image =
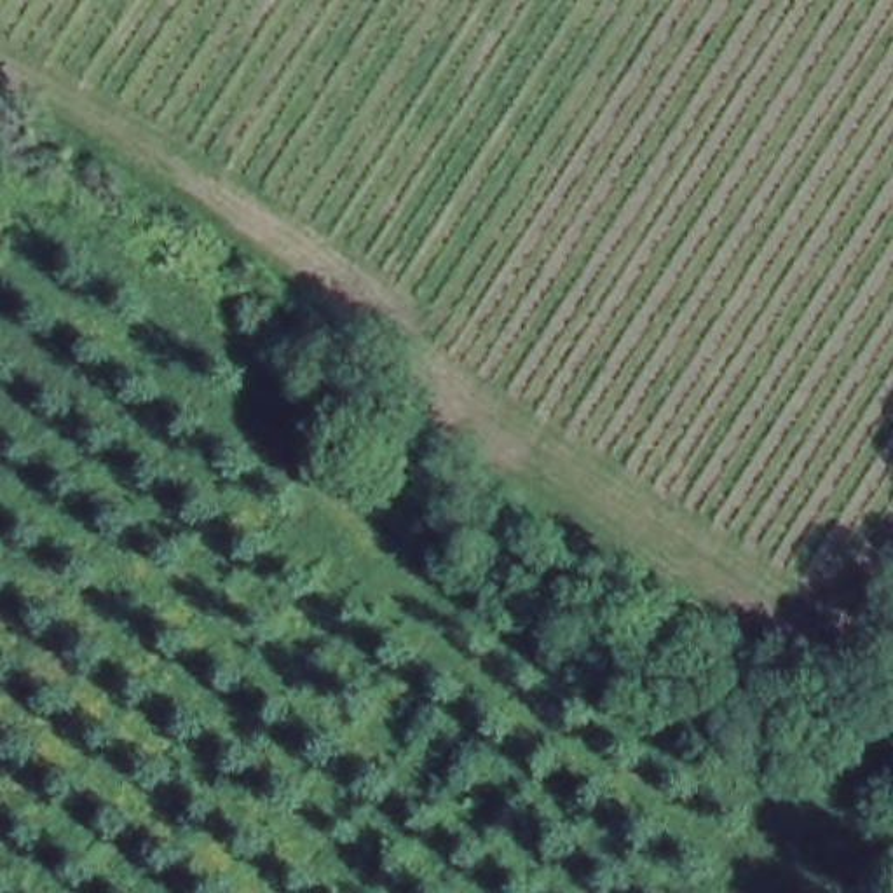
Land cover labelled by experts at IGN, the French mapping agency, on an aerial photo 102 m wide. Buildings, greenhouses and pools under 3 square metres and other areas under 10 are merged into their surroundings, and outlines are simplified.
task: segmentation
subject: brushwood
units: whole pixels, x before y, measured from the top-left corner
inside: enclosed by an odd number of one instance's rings
[[[91,153],[77,153],[73,147],[59,150],[56,140],[42,136],[38,129],[28,129],[21,140],[0,140],[0,157],[7,157],[24,178],[77,178],[91,195],[112,188],[112,174],[101,160],[94,160]]]

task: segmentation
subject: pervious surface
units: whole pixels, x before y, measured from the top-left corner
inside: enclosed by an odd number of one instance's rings
[[[317,230],[297,227],[286,216],[269,213],[244,188],[202,174],[188,192],[192,199],[206,202],[237,234],[286,262],[293,272],[317,276],[328,290],[338,290],[349,300],[373,307],[394,317],[412,335],[419,328],[419,310],[412,300],[380,293],[335,251],[328,251]]]

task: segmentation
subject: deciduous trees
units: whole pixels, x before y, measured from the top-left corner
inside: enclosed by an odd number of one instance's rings
[[[143,701],[153,691],[136,673],[122,670],[126,698],[115,708],[143,712]]]
[[[73,373],[63,370],[38,391],[42,408],[52,415],[66,412],[66,380]]]
[[[150,844],[150,858],[160,872],[178,865],[192,851],[192,841],[206,834],[206,816],[185,806],[174,830],[164,841]]]
[[[87,555],[80,555],[63,562],[59,572],[84,590],[94,583],[98,569]]]
[[[24,84],[17,84],[7,98],[0,94],[0,140],[21,140],[28,129],[24,115],[35,94]]]
[[[150,645],[147,652],[157,663],[178,666],[178,656],[192,645],[171,621],[157,621],[157,645]]]
[[[426,848],[419,841],[398,837],[394,848],[380,858],[387,872],[405,872],[405,865]]]
[[[328,774],[328,764],[342,757],[342,750],[321,733],[303,743],[310,757],[307,771]]]
[[[115,293],[115,300],[140,324],[150,303],[140,286],[129,286]]]
[[[408,746],[398,753],[398,760],[356,774],[352,781],[331,785],[331,799],[356,795],[356,809],[335,823],[345,844],[359,830],[366,830],[370,813],[380,809],[380,799],[422,764],[426,746],[436,736],[457,733],[457,722],[450,719],[450,701],[460,694],[460,687],[453,677],[436,677],[433,698],[408,726]]]
[[[373,712],[387,712],[377,691],[363,691],[349,694],[356,729],[366,726]]]
[[[28,645],[42,645],[45,631],[63,621],[66,607],[63,600],[21,596],[28,624],[17,631],[17,638],[24,638]]]
[[[35,740],[52,726],[52,712],[42,708],[35,698],[17,701],[28,712],[28,722],[24,729],[0,740],[0,757],[28,764]]]
[[[453,802],[460,799],[460,792],[481,785],[488,764],[502,753],[502,740],[516,729],[520,715],[527,712],[516,701],[506,701],[502,708],[481,719],[481,729],[474,733],[471,746],[450,764],[450,771],[440,781],[433,781],[429,806],[408,813],[412,827],[450,827],[457,820]]]
[[[569,823],[544,785],[562,760],[562,746],[569,743],[551,736],[534,750],[530,774],[509,802],[520,809],[530,806],[541,816],[541,851],[562,862],[586,837],[593,820]]]
[[[865,607],[855,614],[855,621],[830,645],[816,645],[806,635],[795,638],[774,631],[753,642],[740,631],[733,617],[684,617],[673,610],[680,600],[677,590],[666,590],[663,583],[659,590],[645,590],[642,576],[649,565],[642,555],[628,555],[621,544],[593,544],[593,555],[569,551],[562,530],[530,499],[527,481],[492,467],[485,440],[467,422],[447,426],[436,436],[433,453],[426,457],[429,474],[436,474],[436,481],[429,485],[426,509],[429,537],[436,548],[426,555],[426,572],[419,579],[429,590],[450,586],[453,593],[478,596],[464,621],[467,642],[474,649],[492,652],[499,638],[520,631],[537,642],[537,652],[527,656],[527,663],[541,673],[541,680],[548,680],[551,673],[558,673],[562,680],[583,677],[583,701],[562,705],[562,715],[569,722],[590,726],[590,712],[596,701],[607,701],[614,708],[614,722],[621,715],[631,715],[631,722],[610,736],[610,750],[628,767],[642,760],[642,746],[649,743],[649,736],[670,729],[684,746],[680,764],[687,764],[680,774],[670,778],[680,795],[694,795],[691,767],[701,764],[708,785],[753,778],[753,795],[760,802],[806,802],[820,809],[830,799],[834,781],[862,760],[865,746],[893,733],[893,558],[876,565],[876,572],[865,583]]]
[[[255,471],[258,453],[244,440],[230,453],[216,453],[227,478]]]
[[[241,370],[227,356],[206,373],[234,401],[241,391]]]
[[[872,865],[862,879],[865,893],[893,893],[893,774],[879,771],[858,792],[862,837],[886,841],[883,862]]]
[[[436,401],[436,394],[408,366],[412,352],[412,335],[394,317],[373,307],[370,314],[349,314],[338,324],[328,324],[307,338],[283,338],[272,345],[269,366],[290,394],[297,443],[310,453],[300,464],[300,471],[293,471],[290,481],[276,492],[279,513],[297,513],[293,481],[314,485],[324,495],[359,506],[363,513],[384,509],[401,492],[405,447],[419,433],[429,405]]]
[[[649,855],[649,848],[628,841],[624,855],[614,855],[596,869],[596,886],[603,893],[624,893],[638,862]]]
[[[234,555],[265,555],[272,544],[269,534],[248,530],[234,541]]]

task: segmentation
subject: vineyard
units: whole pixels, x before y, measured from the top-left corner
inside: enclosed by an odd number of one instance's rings
[[[160,115],[171,122],[167,140],[160,147],[178,153],[202,174],[244,188],[269,213],[286,216],[297,227],[317,230],[328,251],[335,251],[380,293],[412,300],[419,310],[419,328],[412,335],[412,352],[433,342],[443,363],[460,363],[464,380],[481,394],[523,394],[534,401],[537,422],[558,419],[562,429],[572,426],[579,440],[607,450],[607,457],[600,460],[603,471],[617,474],[628,467],[635,478],[656,481],[659,492],[687,499],[708,520],[719,520],[729,530],[740,530],[743,537],[757,537],[757,551],[795,551],[802,583],[827,579],[834,596],[855,614],[865,607],[865,583],[876,572],[876,565],[893,558],[893,0],[0,0],[0,63],[31,70],[49,56],[77,77],[80,91],[91,91],[98,77],[115,77],[115,94],[122,94],[133,77],[153,77],[153,66],[167,59],[167,52],[178,42],[185,49],[181,66],[174,66],[174,77],[167,91],[153,101],[150,119]]]

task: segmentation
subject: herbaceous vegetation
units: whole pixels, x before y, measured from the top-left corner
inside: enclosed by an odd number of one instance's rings
[[[28,722],[28,712],[17,701],[35,698],[42,708],[52,712],[52,726],[35,740],[28,764],[0,757],[0,893],[603,893],[596,886],[596,869],[614,855],[624,855],[628,841],[649,848],[649,855],[638,862],[624,893],[865,893],[862,879],[872,865],[883,862],[886,841],[862,837],[858,792],[879,771],[893,774],[893,733],[865,746],[862,760],[834,781],[830,799],[820,809],[806,802],[760,802],[753,795],[753,778],[708,785],[701,764],[691,767],[694,795],[680,795],[670,778],[680,774],[687,764],[680,764],[684,746],[670,729],[649,736],[649,743],[642,746],[642,760],[628,767],[610,750],[610,736],[631,722],[631,715],[621,715],[614,722],[614,708],[607,701],[596,701],[590,712],[590,726],[569,722],[562,715],[562,705],[583,701],[583,677],[562,680],[558,673],[551,673],[548,680],[541,680],[541,673],[527,663],[527,656],[537,652],[537,642],[520,631],[499,638],[492,652],[474,649],[467,642],[464,621],[478,596],[453,593],[450,586],[429,590],[419,579],[426,572],[426,555],[436,548],[429,537],[426,509],[429,485],[436,481],[436,474],[429,474],[426,457],[433,453],[436,436],[447,426],[467,422],[485,440],[492,467],[527,481],[530,499],[562,530],[569,551],[593,555],[593,544],[621,544],[628,555],[642,555],[649,565],[642,576],[645,590],[659,590],[663,583],[666,590],[677,590],[680,600],[673,610],[684,617],[733,617],[740,631],[753,642],[774,631],[795,638],[806,635],[816,645],[830,645],[855,621],[855,614],[834,596],[827,579],[802,583],[795,551],[757,551],[757,537],[743,537],[740,530],[729,530],[719,520],[708,520],[687,499],[659,492],[656,481],[635,478],[628,467],[617,474],[603,471],[600,460],[607,457],[607,450],[579,440],[572,426],[562,429],[558,419],[537,422],[534,401],[523,394],[481,394],[464,380],[460,363],[443,363],[433,342],[412,352],[408,366],[436,394],[436,401],[429,405],[419,433],[405,447],[401,492],[384,509],[363,513],[359,506],[324,495],[314,485],[293,481],[297,513],[279,513],[276,492],[290,481],[293,471],[300,471],[300,464],[310,453],[297,443],[290,394],[269,366],[272,345],[283,338],[307,338],[328,324],[338,324],[349,314],[370,314],[373,307],[349,300],[338,290],[328,290],[317,276],[293,272],[286,262],[237,234],[206,202],[192,199],[188,192],[202,174],[178,153],[160,147],[167,140],[171,122],[160,115],[150,119],[153,101],[167,91],[174,77],[174,66],[181,66],[185,49],[178,42],[167,52],[167,59],[153,66],[153,77],[133,77],[122,94],[115,94],[115,77],[98,77],[91,91],[80,91],[77,77],[49,56],[31,70],[0,63],[0,94],[7,98],[17,84],[24,84],[35,94],[24,115],[28,129],[38,129],[42,136],[56,140],[59,150],[73,147],[77,153],[91,153],[94,160],[101,160],[112,174],[112,188],[91,195],[77,178],[24,178],[7,157],[0,157],[0,740],[24,729]],[[129,286],[140,286],[150,303],[140,324],[115,300],[115,293]],[[241,370],[241,391],[234,401],[206,373],[227,356]],[[73,373],[66,380],[66,412],[52,415],[42,408],[38,391],[63,370]],[[227,478],[216,453],[230,453],[244,440],[258,453],[255,471]],[[272,544],[265,555],[234,555],[234,541],[248,530],[269,534]],[[59,572],[63,562],[80,555],[87,555],[98,569],[94,583],[84,590]],[[24,638],[17,638],[17,631],[28,624],[21,596],[63,600],[66,607],[63,621],[45,631],[42,645],[28,645]],[[157,645],[157,621],[171,621],[192,645],[178,656],[178,666],[157,663],[147,652],[150,645]],[[143,712],[115,708],[126,698],[122,670],[136,673],[153,691],[143,701]],[[398,753],[408,746],[408,726],[433,698],[436,677],[453,677],[460,687],[460,694],[450,701],[450,719],[457,722],[457,733],[436,736],[426,746],[422,764],[380,799],[380,809],[370,813],[366,830],[359,830],[345,844],[335,823],[356,809],[356,795],[331,799],[331,785],[352,781],[356,774],[398,760]],[[366,726],[356,729],[349,694],[363,691],[377,691],[387,712],[373,712]],[[527,712],[520,715],[516,729],[502,740],[502,753],[488,764],[481,785],[460,792],[460,799],[453,802],[457,820],[450,827],[412,827],[408,813],[429,806],[433,781],[440,781],[450,771],[450,764],[471,746],[474,733],[481,729],[481,719],[502,708],[506,701],[516,701]],[[342,757],[328,764],[328,774],[307,771],[310,757],[303,743],[321,733],[342,750]],[[593,820],[586,837],[562,862],[541,851],[541,816],[530,806],[520,809],[509,802],[530,774],[534,750],[551,736],[569,743],[562,746],[562,760],[544,785],[569,823]],[[150,858],[150,844],[164,841],[174,830],[185,806],[206,816],[206,834],[192,841],[192,851],[178,865],[160,872]],[[387,872],[380,858],[394,848],[398,837],[419,841],[426,848],[405,865],[405,872]]]

